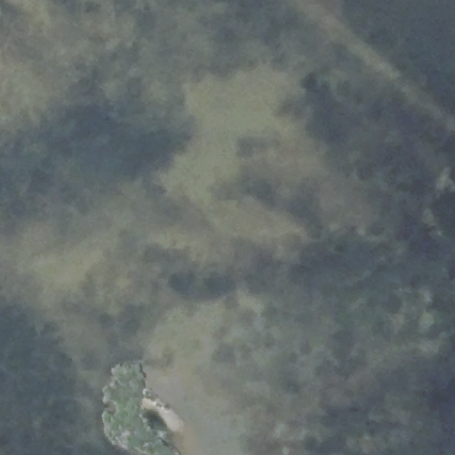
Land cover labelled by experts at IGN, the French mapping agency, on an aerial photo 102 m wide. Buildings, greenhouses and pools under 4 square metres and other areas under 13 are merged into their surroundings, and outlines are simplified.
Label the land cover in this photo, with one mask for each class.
<instances>
[{"label":"water","instance_id":"1","mask_svg":"<svg viewBox=\"0 0 455 455\"><path fill-rule=\"evenodd\" d=\"M124 364H137L142 373L144 386L153 391L156 400L164 402L165 407L190 428L194 435L190 455H455V0H0V455H144L139 451L126 450L110 443L103 432L101 416L112 405L103 400V387L110 384L112 368Z\"/></svg>","mask_w":455,"mask_h":455},{"label":"brushwood","instance_id":"2","mask_svg":"<svg viewBox=\"0 0 455 455\"><path fill-rule=\"evenodd\" d=\"M103 400L112 405L101 416L103 432L110 443L126 450L139 451L144 455H190L194 435L190 428L165 407L164 402L156 400L153 391L144 386L142 373L137 364H124L112 368L110 384L103 387Z\"/></svg>","mask_w":455,"mask_h":455}]
</instances>
